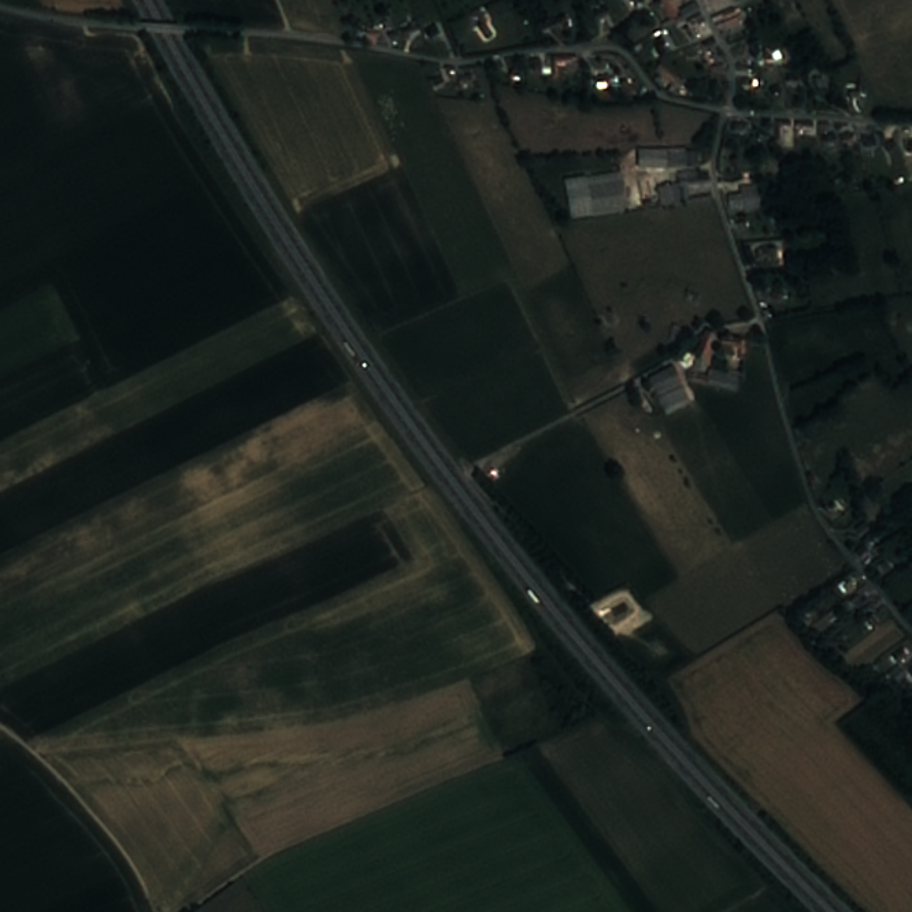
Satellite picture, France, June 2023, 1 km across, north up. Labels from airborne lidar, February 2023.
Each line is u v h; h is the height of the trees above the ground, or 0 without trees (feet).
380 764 0
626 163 0
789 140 0
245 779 0
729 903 0
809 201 70
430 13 0
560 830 0
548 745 0
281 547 0
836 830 0
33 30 0
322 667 0
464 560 0
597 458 0
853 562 0
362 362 0
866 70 0
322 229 0
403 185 0
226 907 0
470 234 0
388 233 0
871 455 0
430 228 0
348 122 0
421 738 0
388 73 0
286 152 0
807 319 0
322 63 0
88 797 0
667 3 0
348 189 0
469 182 0
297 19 0
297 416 0
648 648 0
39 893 0
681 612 0
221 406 0
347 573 0
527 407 0
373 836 0
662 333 0
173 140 0
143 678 0
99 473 0
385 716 0
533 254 0
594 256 0
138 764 0
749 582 0
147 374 0
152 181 0
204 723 0
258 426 0
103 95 0
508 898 0
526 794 0
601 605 0
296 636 0
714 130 25
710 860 0
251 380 0
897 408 0
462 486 0
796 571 0
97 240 0
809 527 0
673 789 0
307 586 0
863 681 25
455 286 0
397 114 0
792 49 24
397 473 0
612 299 0
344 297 0
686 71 0
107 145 0
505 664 0
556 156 32
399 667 0
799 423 38
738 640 0
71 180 0
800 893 0
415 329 0
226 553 0
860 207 0
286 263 0
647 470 0
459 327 0
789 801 0
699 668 0
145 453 0
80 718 0
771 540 0
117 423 0
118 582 0
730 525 0
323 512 0
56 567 0
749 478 0
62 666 0
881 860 0
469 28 0
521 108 0
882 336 0
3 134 0
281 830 0
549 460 0
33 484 0
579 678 18
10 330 0
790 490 0
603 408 0
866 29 0
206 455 0
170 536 0
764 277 32
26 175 0
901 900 0
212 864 0
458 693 0
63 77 0
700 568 0
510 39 0
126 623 0
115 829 0
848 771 0
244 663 0
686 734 0
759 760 0
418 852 0
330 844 0
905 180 0
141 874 0
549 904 0
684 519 0
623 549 0
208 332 0
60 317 0
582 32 23
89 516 0
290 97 0
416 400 0
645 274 0
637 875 0
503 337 0
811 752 0
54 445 0
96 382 0
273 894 0
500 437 0
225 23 46
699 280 0
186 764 0
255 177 0
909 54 0
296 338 0
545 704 0
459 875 0
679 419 0
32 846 0
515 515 37
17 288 0
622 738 0
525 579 0
